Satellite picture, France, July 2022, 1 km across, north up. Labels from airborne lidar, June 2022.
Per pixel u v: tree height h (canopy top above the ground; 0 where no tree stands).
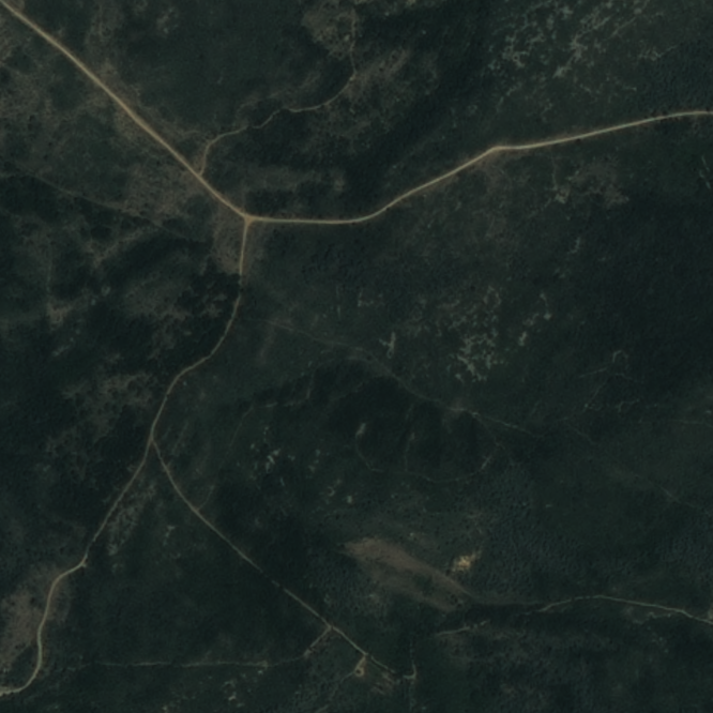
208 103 0
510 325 0
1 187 11
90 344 5
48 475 0
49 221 6
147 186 0
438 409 6
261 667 0
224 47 0
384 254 0
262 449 7
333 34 0
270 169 0
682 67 8
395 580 0
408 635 8
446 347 0
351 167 8
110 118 0
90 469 7
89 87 0
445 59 6
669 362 10
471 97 6
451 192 0
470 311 0
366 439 5
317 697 6
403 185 0
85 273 10
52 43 0
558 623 8
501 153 0
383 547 0
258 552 8
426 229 0
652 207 9
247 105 0
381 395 6
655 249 6
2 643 0
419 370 0
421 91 10
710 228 6
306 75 0
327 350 0
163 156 0
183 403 0
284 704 7
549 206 0
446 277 6
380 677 0
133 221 7
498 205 0
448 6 7
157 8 0
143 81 0
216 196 0
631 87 0
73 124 0
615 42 0
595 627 6
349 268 11
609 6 0
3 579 7
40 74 0
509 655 7
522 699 8
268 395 7
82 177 0
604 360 9
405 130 7
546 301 0
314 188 6
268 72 0
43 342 7
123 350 7
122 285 7
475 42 7
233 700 6
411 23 8
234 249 0
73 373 7
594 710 10
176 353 10
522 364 0
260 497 9
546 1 0
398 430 5
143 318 6
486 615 6
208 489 0
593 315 7
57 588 0
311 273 10
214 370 0
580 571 11
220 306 9
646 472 0
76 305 0
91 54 0
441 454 6
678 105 6
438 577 0
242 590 6
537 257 0
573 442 6
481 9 9
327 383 6
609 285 6
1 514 0
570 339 6
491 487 7
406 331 0
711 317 11
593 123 0
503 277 0
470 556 0
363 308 0
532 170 0
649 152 0
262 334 0
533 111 0
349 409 5
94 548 6
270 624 6
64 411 9
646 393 6
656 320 6
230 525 6
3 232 7
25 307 7
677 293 6
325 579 9
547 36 0
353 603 8
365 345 0
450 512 7
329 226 0
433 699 6
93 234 8
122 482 6
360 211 6
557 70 0
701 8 0
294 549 9
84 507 7
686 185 6
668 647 8
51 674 9
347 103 6
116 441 6
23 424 6
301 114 6
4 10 0
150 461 0
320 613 7
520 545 13
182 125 0
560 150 0
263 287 0
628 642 5
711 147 7
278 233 9
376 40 5
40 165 0
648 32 0
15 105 0
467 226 0
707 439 0
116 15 0
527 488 11
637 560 7
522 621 6
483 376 0
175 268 6
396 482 0
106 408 7
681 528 8
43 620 0
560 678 9
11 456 7
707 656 7
